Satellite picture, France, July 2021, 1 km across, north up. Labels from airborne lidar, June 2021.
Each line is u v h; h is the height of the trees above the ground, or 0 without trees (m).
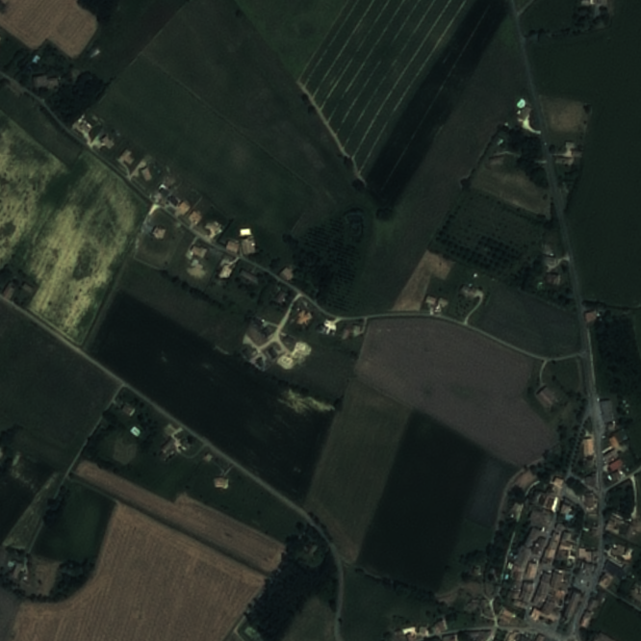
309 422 0
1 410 0
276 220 0
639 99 0
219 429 0
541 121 0
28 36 0
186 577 0
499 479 0
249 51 0
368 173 0
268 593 9
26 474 0
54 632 0
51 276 0
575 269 0
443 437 0
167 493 0
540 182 11
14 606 0
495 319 0
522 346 0
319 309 0
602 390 0
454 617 11
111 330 0
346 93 0
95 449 7
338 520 0
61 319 0
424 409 0
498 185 0
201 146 0
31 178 0
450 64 0
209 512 0
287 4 0
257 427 0
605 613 0
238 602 0
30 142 0
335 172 0
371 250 0
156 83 0
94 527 0
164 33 0
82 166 0
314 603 0
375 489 0
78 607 0
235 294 0
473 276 0
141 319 0
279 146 0
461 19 0
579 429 8
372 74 0
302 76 0
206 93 0
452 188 0
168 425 0
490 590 0
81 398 0
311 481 0
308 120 0
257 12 0
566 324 0
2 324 0
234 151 0
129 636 0
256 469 0
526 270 11
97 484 0
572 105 0
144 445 7
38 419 0
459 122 0
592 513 0
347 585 0
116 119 0
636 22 0
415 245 0
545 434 0
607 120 0
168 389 0
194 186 0
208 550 0
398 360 0
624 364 21
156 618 0
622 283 0
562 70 0
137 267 0
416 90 0
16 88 0
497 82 0
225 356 0
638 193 0
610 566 0
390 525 0
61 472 0
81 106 8
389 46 0
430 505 0
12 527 0
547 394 0
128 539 0
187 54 0
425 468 0
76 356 0
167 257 0
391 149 0
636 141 0
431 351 0
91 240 0
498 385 0
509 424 0
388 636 10
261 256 8
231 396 0
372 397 0
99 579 0
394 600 0
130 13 0
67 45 0
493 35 0
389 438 0
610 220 0
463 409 0
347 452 0
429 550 0
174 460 0
